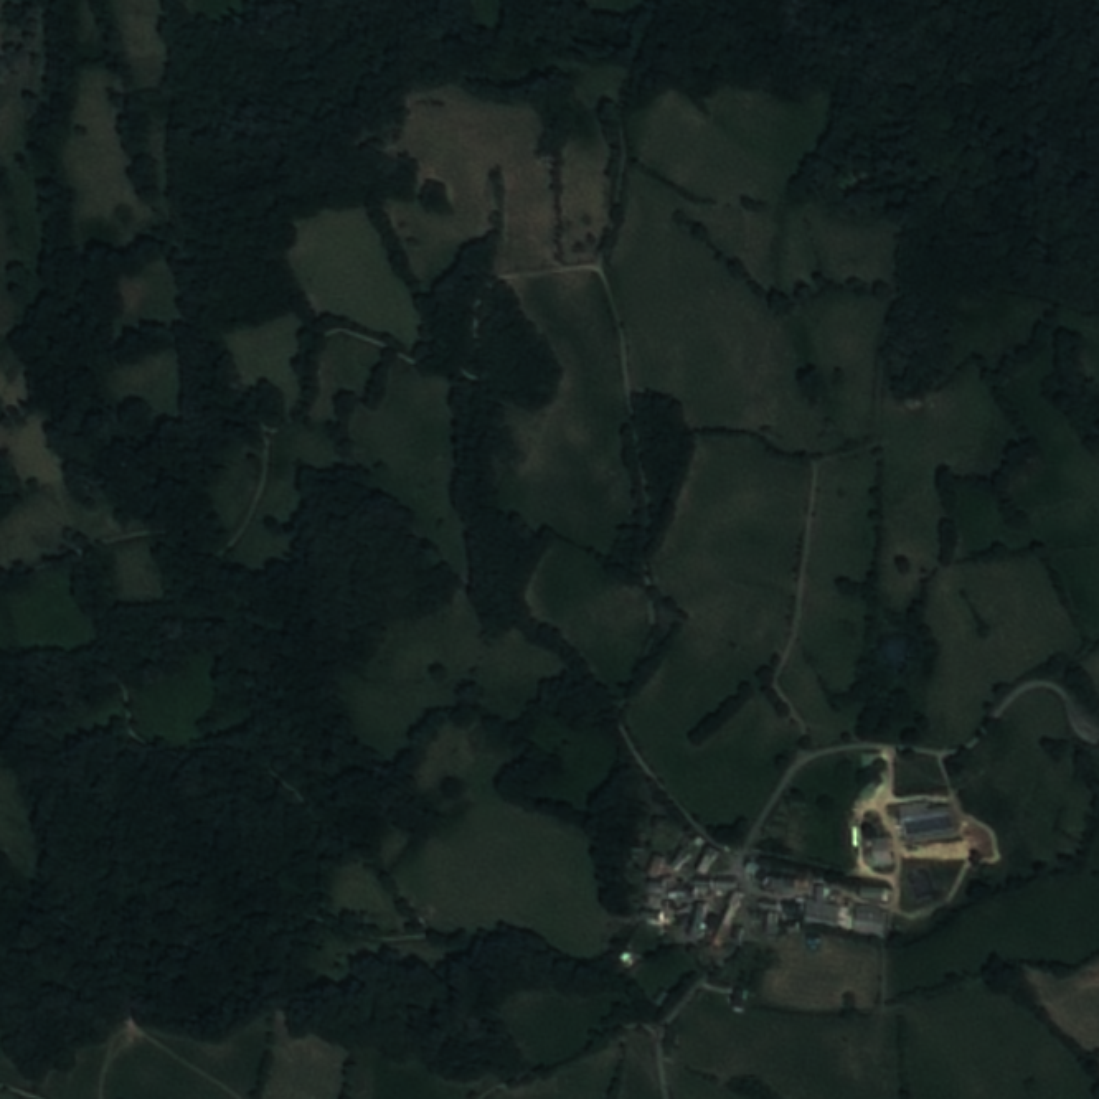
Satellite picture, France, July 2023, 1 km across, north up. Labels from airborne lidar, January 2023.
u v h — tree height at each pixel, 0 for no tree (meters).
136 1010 14
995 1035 0
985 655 0
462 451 15
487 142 0
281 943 20
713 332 0
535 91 23
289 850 21
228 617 24
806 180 14
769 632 0
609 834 22
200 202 11
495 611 17
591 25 9
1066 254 29
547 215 0
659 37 19
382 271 0
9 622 0
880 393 0
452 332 18
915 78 24
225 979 25
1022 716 0
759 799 0
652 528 9
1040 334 15
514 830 0
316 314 8
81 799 23
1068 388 16
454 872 0
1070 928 0
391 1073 0
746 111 0
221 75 13
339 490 24
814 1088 0
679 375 0
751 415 0
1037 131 26
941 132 29
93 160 0
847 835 0
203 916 7
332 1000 26
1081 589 0
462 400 20
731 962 7
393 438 0
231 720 0
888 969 0
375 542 29
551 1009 0
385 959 14
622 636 0
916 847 0
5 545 0
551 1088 0
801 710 0
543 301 0
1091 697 6
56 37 20
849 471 0
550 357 11
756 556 0
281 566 14
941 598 0
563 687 13
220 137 12
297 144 21
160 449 25
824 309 0
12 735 13
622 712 6
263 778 11
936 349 16
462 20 32
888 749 0
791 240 0
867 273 0
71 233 21
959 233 19
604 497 0
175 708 0
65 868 21
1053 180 23
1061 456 0
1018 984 17
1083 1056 6
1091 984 0
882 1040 0
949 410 0
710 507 0
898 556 0
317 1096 0
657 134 0
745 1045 0
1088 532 0
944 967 0
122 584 0
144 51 0
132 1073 0
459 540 0
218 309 10
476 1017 18
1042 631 0
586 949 0
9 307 0
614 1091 11
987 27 26
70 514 0
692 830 8
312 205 18
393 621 22
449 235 0
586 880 0
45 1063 12
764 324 0
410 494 0
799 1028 0
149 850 23
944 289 18
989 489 13
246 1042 0
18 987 15
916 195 19
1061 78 27
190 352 17
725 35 25
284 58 12
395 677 0
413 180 11
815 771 0
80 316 19
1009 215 26
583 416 0
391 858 0
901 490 0
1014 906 0
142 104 18
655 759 0
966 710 0
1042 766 0
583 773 0
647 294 0
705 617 0
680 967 0
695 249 0
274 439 10
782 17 24
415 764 21
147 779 23
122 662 20
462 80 23
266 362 0
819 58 27
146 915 19
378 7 23
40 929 22
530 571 11
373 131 15
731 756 0
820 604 0
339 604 29
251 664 23
